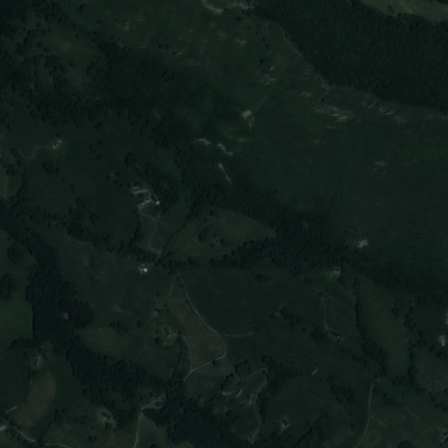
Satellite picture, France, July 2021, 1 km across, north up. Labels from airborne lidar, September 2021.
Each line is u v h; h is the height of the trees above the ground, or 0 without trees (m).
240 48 0
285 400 0
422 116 0
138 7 0
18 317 0
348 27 20
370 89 12
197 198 9
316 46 20
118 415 12
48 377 0
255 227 0
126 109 25
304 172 0
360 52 22
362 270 15
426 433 0
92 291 0
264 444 22
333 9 22
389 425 0
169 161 0
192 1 0
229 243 10
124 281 0
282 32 0
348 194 0
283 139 0
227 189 9
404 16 19
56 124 21
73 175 0
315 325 7
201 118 0
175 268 17
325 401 0
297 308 0
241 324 0
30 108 15
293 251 16
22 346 13
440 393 0
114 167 0
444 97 16
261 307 0
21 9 23
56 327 27
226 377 0
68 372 0
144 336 0
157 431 0
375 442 0
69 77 0
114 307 0
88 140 0
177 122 7
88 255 0
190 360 0
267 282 15
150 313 0
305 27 18
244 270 17
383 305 0
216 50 0
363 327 15
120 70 9
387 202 0
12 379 0
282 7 19
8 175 12
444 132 0
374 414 0
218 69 0
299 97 0
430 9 0
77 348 31
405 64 19
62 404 0
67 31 0
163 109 8
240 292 0
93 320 10
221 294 0
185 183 20
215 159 8
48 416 0
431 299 10
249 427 0
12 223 33
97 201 0
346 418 0
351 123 0
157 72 16
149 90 6
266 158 0
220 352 0
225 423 14
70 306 26
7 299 12
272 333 0
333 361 0
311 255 14
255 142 0
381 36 24
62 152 0
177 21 0
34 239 22
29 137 0
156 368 0
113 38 11
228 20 0
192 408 22
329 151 0
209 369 0
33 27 0
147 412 18
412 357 13
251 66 0
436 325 0
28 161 0
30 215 12
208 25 0
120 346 0
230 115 7
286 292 0
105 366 20
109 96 8
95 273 0
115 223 0
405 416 0
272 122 0
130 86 9
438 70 22
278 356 0
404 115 0
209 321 0
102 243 19
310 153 0
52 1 16
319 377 0
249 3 9
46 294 31
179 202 21
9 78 10
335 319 0
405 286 8
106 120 0
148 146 0
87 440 0
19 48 12
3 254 0
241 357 0
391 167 0
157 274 0
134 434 0
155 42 0
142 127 25
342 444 0
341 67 20
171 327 0
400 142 0
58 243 0
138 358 0
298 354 0
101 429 0
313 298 0
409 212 0
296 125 0
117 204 0
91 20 0
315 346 0
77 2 0
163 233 0
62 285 17
